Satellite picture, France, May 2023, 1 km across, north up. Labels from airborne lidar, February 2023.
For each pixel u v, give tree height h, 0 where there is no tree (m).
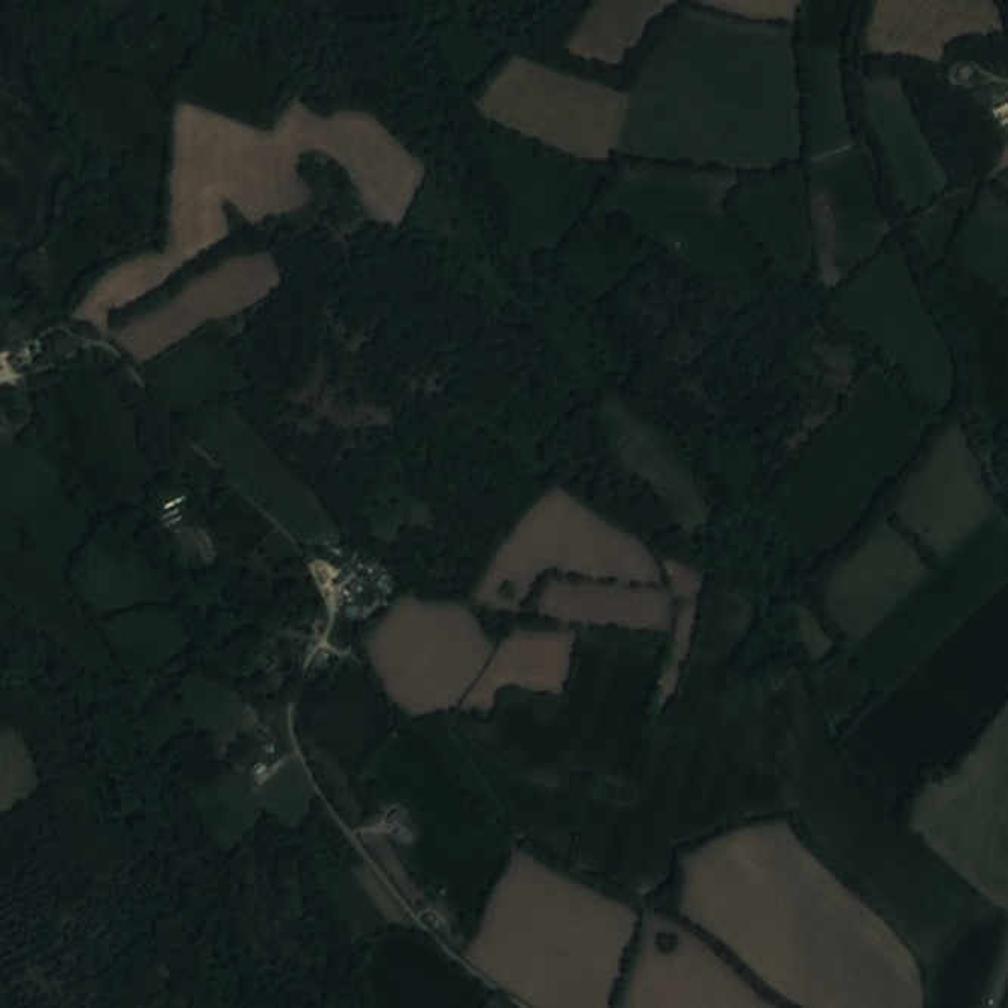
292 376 14
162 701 14
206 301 0
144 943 18
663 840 0
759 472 11
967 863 0
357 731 0
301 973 12
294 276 14
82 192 8
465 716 14
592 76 14
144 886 9
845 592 0
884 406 0
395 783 0
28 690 20
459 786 7
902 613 0
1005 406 0
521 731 0
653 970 0
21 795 0
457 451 14
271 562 8
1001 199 11
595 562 0
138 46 10
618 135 0
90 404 0
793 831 11
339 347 8
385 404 8
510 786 0
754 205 0
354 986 11
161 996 12
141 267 0
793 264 0
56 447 0
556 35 16
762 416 11
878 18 0
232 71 0
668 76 0
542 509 0
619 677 0
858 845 0
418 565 9
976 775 0
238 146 0
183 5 0
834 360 0
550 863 9
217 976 7
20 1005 7
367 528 8
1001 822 0
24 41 0
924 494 0
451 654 0
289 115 0
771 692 0
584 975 0
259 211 0
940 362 0
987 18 0
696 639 10
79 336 18
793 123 0
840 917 0
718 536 9
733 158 0
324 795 10
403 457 9
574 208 0
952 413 14
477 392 22
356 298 16
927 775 15
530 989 0
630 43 0
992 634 0
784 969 0
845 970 0
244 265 0
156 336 0
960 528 0
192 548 0
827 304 12
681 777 0
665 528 9
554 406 13
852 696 0
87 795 0
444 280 16
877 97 0
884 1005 0
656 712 14
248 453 0
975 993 0
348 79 13
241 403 14
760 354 7
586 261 0
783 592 16
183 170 0
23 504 0
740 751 0
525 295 17
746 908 0
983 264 0
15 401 17
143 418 17
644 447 0
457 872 0
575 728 0
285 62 9
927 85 16
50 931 8
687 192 0
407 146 9
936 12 0
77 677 19
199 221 0
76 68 10
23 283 15
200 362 0
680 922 8
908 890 0
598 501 21
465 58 0
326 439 8
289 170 0
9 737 0
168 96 11
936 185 0
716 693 0
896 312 0
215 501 12
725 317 10
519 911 0
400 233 9
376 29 15
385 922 0
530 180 0
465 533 13
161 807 20
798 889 0
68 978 7
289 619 9
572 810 0
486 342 18
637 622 0
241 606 17
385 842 0
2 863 13
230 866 11
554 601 0
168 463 17
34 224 0
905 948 0
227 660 17
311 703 0
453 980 0
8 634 24
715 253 0
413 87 11
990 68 9
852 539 10
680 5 12
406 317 18
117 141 0
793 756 0
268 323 10
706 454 17
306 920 8
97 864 22
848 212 0
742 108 0
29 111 0
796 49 14
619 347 6
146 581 0
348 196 15
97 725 18
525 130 0
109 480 0
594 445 21
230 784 0
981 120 11
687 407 17
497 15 9
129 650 0
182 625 9
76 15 10
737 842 0
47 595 0
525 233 0
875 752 0
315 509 0
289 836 11
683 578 0
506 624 16
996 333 0
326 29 13
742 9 0
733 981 0
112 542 0
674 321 10
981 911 0
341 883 0
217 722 0
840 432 0
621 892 13
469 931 10
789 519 0
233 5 16
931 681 0
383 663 0
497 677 0
